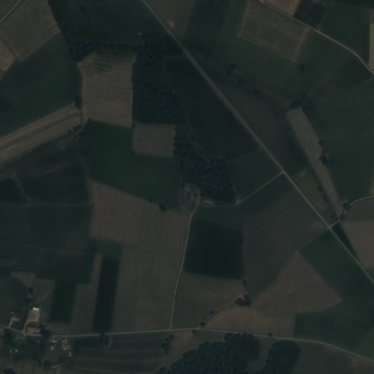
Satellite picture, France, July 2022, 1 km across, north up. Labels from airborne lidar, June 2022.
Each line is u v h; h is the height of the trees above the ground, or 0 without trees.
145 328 0
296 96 0
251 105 0
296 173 0
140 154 0
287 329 0
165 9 0
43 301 0
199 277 0
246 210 0
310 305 0
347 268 0
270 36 0
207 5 0
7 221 0
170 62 0
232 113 0
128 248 0
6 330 6
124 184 0
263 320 0
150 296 0
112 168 0
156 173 0
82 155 7
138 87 18
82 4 0
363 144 0
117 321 0
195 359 26
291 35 0
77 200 0
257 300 0
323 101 0
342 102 0
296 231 0
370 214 0
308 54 0
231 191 17
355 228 0
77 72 0
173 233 0
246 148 0
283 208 0
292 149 0
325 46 0
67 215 0
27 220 0
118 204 0
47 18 0
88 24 0
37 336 0
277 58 0
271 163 0
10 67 0
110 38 0
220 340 0
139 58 14
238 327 0
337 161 0
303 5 0
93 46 17
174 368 16
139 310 0
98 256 0
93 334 0
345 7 0
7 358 0
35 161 0
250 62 0
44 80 0
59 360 0
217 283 0
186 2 0
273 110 0
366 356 0
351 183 0
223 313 0
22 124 0
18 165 0
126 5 0
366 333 0
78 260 0
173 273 0
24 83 0
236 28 0
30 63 0
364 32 0
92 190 0
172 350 0
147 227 0
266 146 0
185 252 0
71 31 0
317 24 0
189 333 0
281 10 0
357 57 0
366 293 0
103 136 0
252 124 0
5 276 0
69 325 0
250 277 0
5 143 0
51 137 0
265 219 0
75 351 0
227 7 0
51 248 0
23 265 0
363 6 0
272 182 0
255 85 0
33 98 0
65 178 0
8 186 0
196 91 0
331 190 0
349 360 0
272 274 0
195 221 0
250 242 0
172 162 0
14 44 0
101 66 0
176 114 26
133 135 0
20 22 0
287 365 26
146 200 0
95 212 0
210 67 0
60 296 0
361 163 0
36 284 0
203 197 14
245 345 20
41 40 0
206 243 0
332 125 0
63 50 0
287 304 0
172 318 0
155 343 0
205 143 0
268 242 0
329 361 0
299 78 0
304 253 0
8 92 0
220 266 0
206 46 0
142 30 0
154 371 0
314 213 0
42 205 0
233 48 0
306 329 0
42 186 0
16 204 0
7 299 0
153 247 0
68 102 0
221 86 0
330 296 0
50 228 0
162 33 0
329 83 0
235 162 0
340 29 0
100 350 0
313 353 0
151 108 23
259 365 0
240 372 14
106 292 0
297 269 0
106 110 0
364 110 0
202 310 0
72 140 0
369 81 0
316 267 0
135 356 0
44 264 0
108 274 0
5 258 0
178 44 17
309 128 0
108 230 0
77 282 0
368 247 0
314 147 0
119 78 0
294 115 0
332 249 0
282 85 0
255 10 0
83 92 0
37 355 0
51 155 0
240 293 0
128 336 0
